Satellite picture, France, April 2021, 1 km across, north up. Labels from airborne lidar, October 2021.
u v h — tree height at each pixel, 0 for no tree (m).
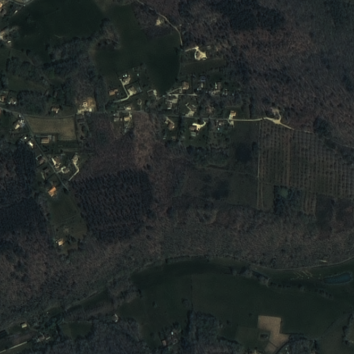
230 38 17
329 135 14
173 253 22
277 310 0
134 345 24
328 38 19
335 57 20
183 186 9
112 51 0
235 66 9
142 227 16
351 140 12
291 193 14
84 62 21
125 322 12
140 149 0
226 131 12
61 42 0
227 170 0
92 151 6
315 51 19
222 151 12
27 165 15
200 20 17
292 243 21
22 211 14
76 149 0
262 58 11
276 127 8
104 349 15
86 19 0
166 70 0
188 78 11
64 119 0
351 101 15
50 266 14
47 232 10
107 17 0
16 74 20
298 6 18
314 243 23
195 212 17
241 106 18
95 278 14
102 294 0
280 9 10
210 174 0
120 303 17
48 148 9
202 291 0
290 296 0
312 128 9
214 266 0
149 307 0
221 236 17
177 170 11
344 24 17
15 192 14
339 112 10
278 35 7
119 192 18
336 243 17
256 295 0
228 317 0
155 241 19
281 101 7
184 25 9
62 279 14
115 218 19
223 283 0
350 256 15
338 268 0
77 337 0
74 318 20
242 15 16
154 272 0
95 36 19
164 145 7
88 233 13
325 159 8
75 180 7
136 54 0
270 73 9
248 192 0
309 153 9
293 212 15
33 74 15
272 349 0
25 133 0
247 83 12
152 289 0
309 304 0
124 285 22
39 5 0
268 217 13
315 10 19
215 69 8
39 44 0
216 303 0
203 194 0
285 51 8
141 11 7
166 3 9
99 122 7
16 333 0
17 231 14
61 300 14
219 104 13
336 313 0
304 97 13
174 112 8
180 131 11
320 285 0
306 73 12
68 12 0
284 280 0
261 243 18
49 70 27
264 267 17
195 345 22
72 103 11
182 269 0
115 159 6
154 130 19
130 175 19
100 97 18
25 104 15
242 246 17
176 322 0
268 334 0
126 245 18
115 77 0
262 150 8
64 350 22
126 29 0
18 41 0
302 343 24
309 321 0
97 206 18
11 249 20
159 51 0
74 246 0
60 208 0
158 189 8
